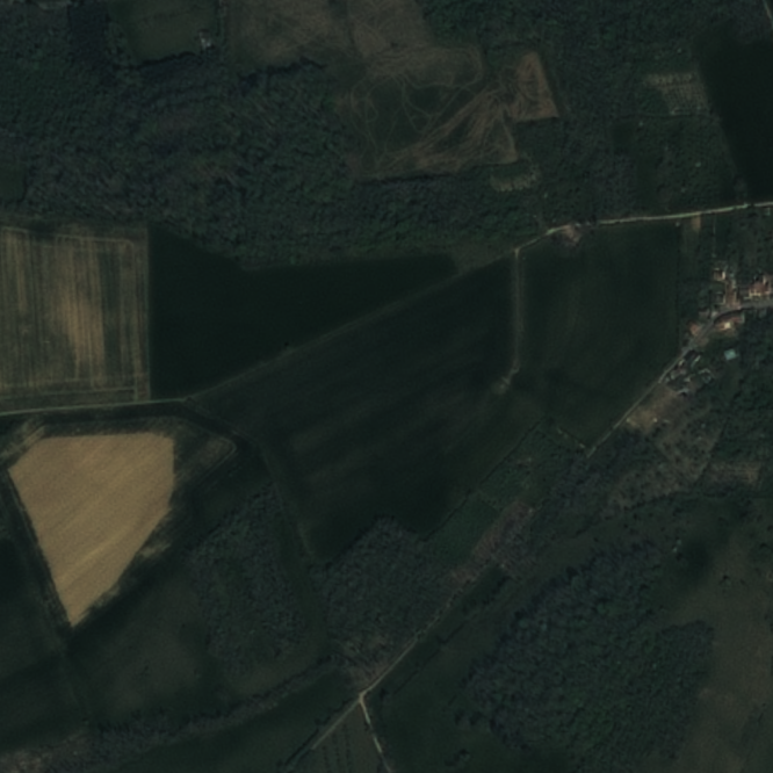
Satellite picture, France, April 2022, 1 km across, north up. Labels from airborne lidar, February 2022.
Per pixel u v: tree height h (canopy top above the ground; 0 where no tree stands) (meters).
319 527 0
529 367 0
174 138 20
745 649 0
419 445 0
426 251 0
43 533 0
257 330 0
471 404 0
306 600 0
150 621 0
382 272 0
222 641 18
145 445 0
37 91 6
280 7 0
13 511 0
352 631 24
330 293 0
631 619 17
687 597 0
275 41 0
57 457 0
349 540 0
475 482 0
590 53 27
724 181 0
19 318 0
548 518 10
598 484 28
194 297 0
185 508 0
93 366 0
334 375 0
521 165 7
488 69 0
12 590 0
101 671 0
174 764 0
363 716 0
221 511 0
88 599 0
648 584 15
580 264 0
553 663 22
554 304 0
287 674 0
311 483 0
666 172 18
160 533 0
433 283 0
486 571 16
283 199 27
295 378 0
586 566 0
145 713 0
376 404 0
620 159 16
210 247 20
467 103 0
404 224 19
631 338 0
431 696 0
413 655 0
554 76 0
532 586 0
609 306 0
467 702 0
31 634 0
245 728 0
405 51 0
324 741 0
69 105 7
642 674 19
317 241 20
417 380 0
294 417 0
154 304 0
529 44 22
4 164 15
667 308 0
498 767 0
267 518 13
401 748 0
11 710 0
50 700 0
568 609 6
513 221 15
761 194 0
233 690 0
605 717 13
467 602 0
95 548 0
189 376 0
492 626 0
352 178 22
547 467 6
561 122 9
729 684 0
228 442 0
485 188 11
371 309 0
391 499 0
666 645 17
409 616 22
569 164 11
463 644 0
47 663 0
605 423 0
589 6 21
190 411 0
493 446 0
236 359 0
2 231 0
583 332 0
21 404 0
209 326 0
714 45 0
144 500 0
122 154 29
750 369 14
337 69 0
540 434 6
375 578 25
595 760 6
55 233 0
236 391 0
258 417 0
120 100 12
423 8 16
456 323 0
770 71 0
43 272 0
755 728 0
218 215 27
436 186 19
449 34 18
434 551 13
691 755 0
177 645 0
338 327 0
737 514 0
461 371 0
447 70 0
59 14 11
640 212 20
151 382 0
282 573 18
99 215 21
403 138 0
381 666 28
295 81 22
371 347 0
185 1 0
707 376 0
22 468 0
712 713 0
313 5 0
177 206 25
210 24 0
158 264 0
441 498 0
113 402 0
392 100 0
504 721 19
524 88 0
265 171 31
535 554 16
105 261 0
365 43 0
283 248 18
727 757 0
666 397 0
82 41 16
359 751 0
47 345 0
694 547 0
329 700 0
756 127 0
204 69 15
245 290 0
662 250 0
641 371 0
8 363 0
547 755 0
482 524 6
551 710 22
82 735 0
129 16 0
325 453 0
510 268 0
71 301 0
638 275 0
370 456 0
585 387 0
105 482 0
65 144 13
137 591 0
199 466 0
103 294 0
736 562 0
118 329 0
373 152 0
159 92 13
